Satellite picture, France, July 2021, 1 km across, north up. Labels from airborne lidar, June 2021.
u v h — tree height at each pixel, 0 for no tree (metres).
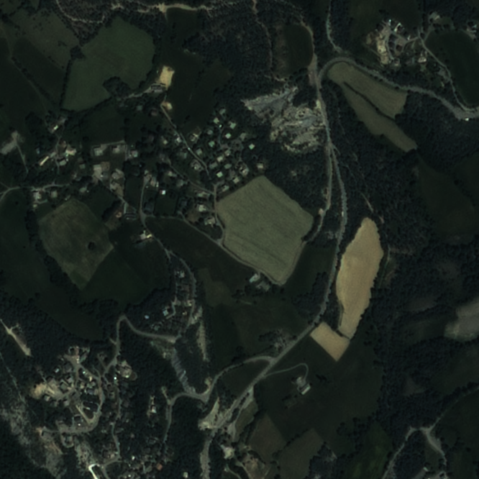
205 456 0
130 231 0
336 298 10
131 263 0
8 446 13
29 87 0
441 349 18
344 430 6
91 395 8
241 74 10
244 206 0
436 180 0
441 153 16
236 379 0
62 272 16
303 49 0
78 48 8
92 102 0
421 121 22
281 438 0
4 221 0
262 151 9
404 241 10
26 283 0
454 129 8
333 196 7
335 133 14
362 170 16
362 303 0
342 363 0
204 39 15
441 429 8
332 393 0
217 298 0
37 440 6
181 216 10
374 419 12
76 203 0
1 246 0
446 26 10
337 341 0
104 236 0
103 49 0
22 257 0
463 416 0
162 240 8
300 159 8
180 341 9
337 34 7
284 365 0
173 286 11
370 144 18
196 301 6
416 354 11
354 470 0
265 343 0
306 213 0
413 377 12
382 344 16
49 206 0
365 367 0
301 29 0
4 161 14
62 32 0
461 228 0
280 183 9
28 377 11
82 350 11
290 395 7
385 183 15
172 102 0
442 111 7
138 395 16
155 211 7
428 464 13
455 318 0
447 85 9
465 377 0
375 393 0
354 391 0
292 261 0
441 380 0
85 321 0
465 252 12
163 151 7
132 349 13
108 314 8
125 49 0
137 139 0
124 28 0
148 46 0
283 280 0
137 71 0
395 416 16
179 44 0
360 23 0
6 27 0
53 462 0
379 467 0
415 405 18
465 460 0
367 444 0
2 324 8
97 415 0
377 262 0
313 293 9
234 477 0
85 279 0
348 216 9
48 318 12
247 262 0
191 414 11
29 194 8
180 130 9
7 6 0
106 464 0
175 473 12
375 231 0
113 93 7
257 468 0
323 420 0
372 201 14
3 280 8
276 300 0
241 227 0
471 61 0
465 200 0
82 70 0
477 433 0
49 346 15
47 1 11
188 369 6
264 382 0
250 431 6
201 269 0
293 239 0
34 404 8
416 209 11
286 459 0
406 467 13
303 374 0
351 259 0
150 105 14
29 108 0
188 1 10
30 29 0
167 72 0
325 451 9
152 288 0
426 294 8
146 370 12
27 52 0
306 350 0
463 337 0
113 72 0
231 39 12
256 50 18
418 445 17
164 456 0
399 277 14
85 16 9
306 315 10
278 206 0
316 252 0
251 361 0
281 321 0
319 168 11
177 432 9
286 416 0
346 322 0
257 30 17
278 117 0
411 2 0
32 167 8
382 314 19
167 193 9
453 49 0
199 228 7
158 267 0
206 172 10
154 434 9
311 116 0
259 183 0
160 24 14
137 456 7
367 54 0
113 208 14
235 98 13
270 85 13
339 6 11
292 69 0
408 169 6
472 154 12
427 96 14
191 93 0
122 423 6
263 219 0
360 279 0
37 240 17
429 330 0
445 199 0
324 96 12
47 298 0
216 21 12
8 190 0
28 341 7
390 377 14
